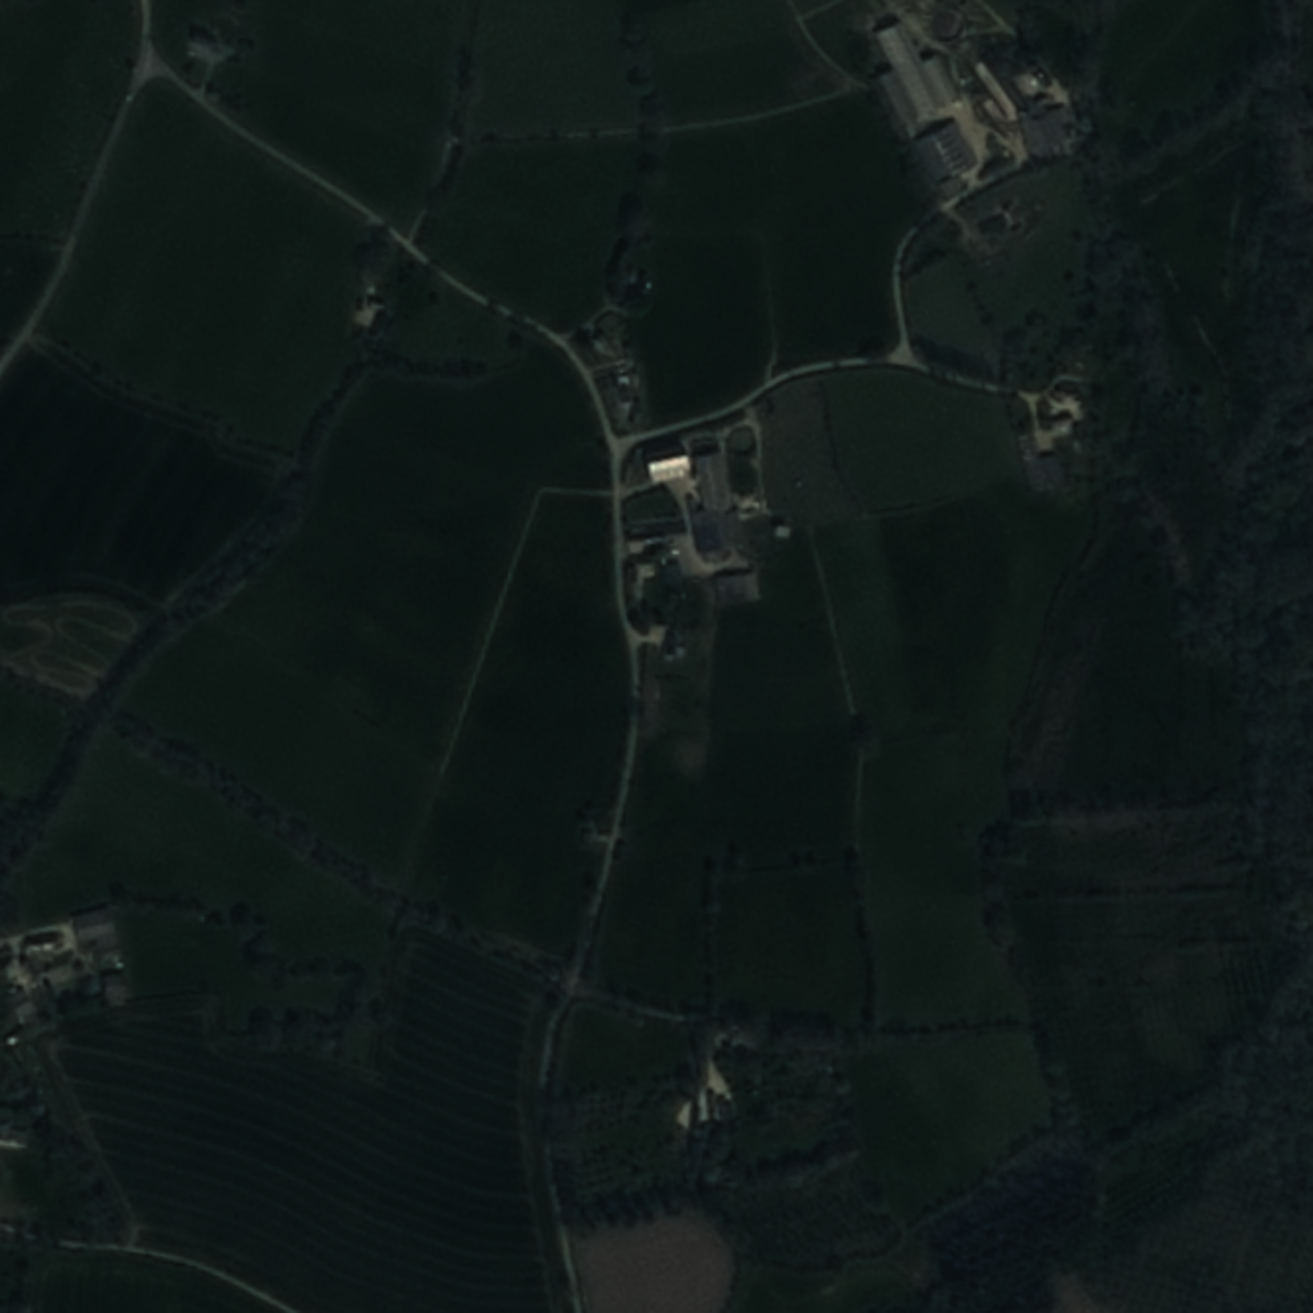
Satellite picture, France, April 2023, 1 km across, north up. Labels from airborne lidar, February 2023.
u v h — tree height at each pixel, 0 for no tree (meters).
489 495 0
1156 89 0
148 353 0
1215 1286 30
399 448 0
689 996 0
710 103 0
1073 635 0
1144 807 17
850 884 14
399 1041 0
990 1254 24
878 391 0
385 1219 0
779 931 0
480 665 0
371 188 0
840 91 0
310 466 6
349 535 0
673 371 0
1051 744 0
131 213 0
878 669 0
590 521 0
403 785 0
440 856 0
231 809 10
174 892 0
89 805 0
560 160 0
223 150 0
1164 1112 9
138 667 15
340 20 0
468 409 0
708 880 10
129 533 0
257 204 0
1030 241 0
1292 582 36
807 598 0
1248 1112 6
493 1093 0
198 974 0
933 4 0
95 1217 5
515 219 0
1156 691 0
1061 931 0
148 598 0
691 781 0
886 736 0
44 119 0
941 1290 11
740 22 0
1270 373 8
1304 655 10
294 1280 0
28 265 0
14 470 0
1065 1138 19
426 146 0
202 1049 0
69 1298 0
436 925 14
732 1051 7
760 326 0
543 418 0
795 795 0
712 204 0
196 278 0
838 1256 8
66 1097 0
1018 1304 21
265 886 0
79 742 14
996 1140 0
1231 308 0
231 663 0
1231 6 0
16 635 0
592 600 0
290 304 0
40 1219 0
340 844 0
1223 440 0
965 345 0
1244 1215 28
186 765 18
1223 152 0
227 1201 0
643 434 0
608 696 0
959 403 0
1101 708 0
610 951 0
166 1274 0
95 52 0
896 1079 0
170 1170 0
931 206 10
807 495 0
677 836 0
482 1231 0
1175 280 0
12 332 0
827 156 0
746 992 0
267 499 0
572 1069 0
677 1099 8
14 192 0
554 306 0
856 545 0
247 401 0
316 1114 0
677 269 0
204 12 0
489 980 0
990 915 13
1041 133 0
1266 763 22
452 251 0
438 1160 0
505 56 0
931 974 0
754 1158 0
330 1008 0
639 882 0
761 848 0
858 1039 11
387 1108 0
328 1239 0
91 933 0
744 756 0
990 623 0
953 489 0
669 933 0
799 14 0
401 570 0
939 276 0
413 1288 0
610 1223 16
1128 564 0
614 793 7
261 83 0
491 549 0
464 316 0
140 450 0
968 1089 0
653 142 17
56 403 0
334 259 0
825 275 0
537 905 0
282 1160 0
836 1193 7
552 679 0
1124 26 0
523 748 0
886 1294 0
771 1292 0
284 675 0
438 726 0
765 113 0
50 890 0
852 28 0
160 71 0
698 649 0
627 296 12
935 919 0
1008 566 0
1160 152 8
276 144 0
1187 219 0
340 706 0
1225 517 0
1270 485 21
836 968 0
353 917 0
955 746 0
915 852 0
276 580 0
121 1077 0
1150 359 33
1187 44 0
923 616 0
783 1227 7
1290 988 22
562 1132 22
